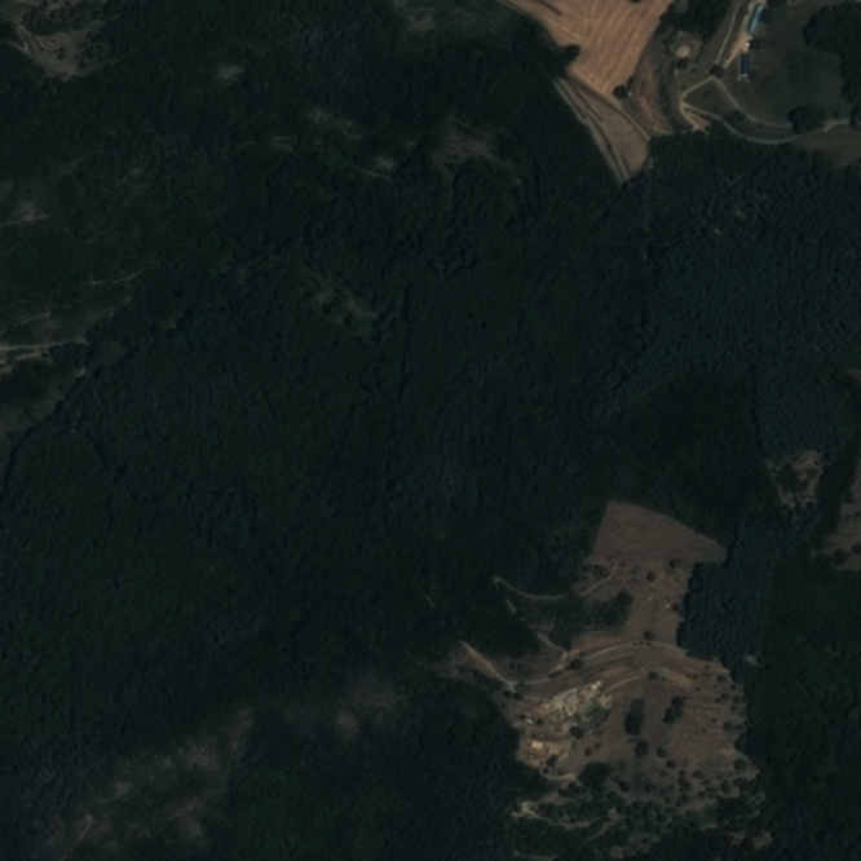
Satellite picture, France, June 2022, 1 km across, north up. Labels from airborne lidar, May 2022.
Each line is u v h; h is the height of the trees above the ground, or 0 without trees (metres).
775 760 8
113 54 10
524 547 13
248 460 21
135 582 18
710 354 23
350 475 18
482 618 8
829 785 14
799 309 21
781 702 19
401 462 20
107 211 16
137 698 13
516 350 19
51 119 9
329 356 27
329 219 31
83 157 6
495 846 13
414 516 18
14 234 11
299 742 12
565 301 21
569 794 11
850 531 0
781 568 13
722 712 0
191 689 16
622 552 0
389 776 18
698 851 18
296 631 10
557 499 14
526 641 13
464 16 0
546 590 13
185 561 24
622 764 0
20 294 13
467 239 20
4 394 19
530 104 16
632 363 19
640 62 0
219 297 15
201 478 21
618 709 0
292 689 13
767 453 26
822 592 8
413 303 22
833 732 18
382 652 14
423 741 16
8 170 15
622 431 13
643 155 0
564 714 0
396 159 10
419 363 23
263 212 27
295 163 11
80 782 10
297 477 13
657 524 0
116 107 18
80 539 25
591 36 0
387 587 17
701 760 0
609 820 9
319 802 21
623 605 11
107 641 21
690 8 7
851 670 19
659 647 0
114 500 26
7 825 14
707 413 8
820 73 0
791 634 21
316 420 24
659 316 25
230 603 23
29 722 23
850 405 14
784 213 22
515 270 21
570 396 19
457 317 25
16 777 11
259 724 10
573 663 6
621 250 19
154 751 9
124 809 7
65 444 24
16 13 0
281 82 7
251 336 28
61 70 0
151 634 17
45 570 19
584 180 19
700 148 9
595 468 14
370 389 20
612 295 19
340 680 9
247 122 14
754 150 12
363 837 16
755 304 22
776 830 21
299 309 24
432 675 7
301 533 23
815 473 10
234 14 16
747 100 0
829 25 31
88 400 12
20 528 26
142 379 23
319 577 20
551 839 10
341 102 15
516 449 17
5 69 14
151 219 14
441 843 15
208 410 21
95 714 23
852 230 20
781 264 22
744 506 11
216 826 10
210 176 16
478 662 0
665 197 9
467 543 14
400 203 8
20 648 20
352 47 19
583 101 0
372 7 14
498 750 8
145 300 25
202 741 10
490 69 15
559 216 25
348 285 21
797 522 18
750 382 12
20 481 18
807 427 29
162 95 15
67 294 14
